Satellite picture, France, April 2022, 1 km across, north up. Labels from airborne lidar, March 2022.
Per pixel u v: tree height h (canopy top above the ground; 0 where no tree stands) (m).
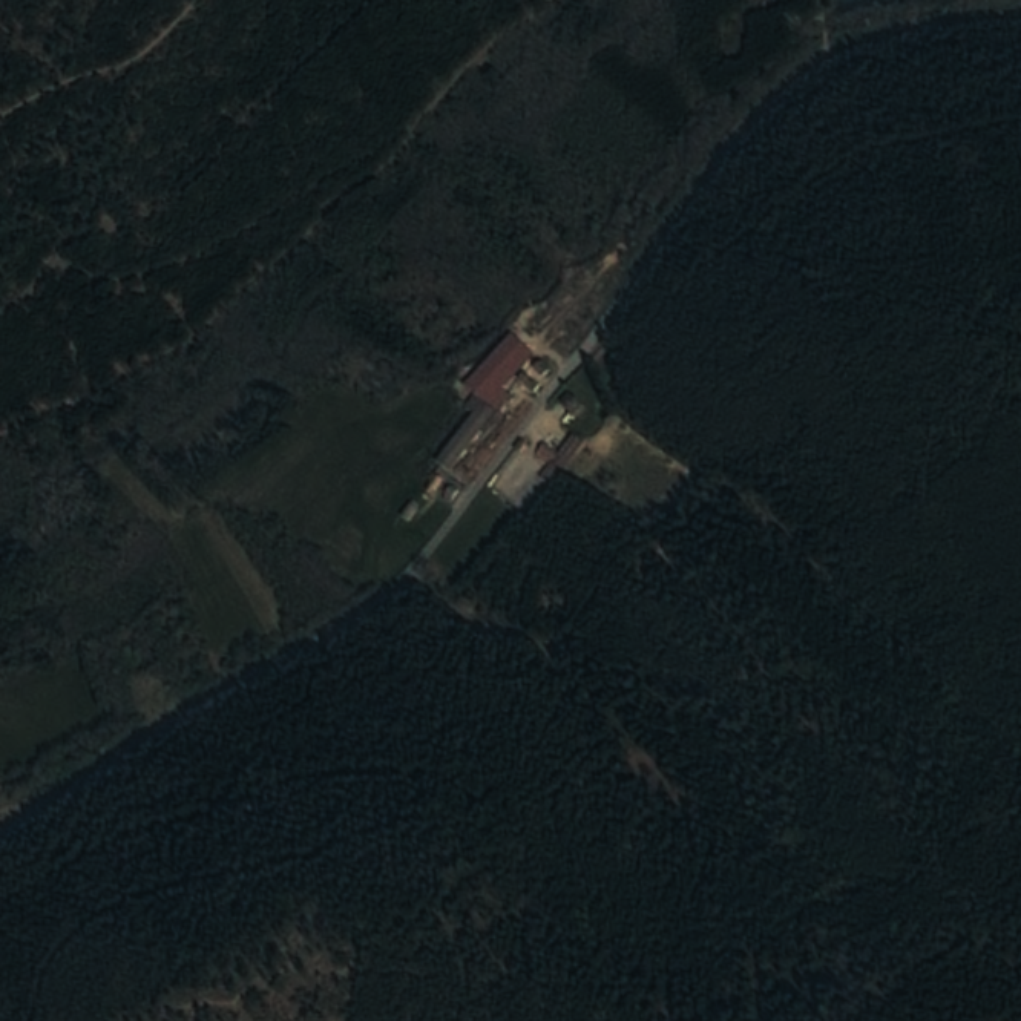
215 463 28
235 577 0
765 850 12
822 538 23
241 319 17
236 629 0
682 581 9
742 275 14
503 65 18
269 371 17
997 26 17
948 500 16
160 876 22
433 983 19
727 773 14
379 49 19
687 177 11
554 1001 16
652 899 16
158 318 17
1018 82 14
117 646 16
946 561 15
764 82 21
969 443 15
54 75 13
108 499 27
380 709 18
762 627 11
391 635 13
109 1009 16
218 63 12
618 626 10
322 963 0
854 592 20
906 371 17
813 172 18
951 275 23
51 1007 16
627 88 7
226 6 7
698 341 16
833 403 16
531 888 14
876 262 17
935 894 16
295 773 20
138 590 6
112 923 20
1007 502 15
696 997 20
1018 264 12
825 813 13
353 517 0
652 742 28
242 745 19
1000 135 18
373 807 23
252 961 23
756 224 15
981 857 22
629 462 0
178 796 24
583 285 0
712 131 21
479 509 0
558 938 21
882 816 12
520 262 20
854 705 12
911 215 16
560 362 0
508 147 13
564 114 16
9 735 0
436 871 26
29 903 20
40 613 9
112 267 16
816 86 14
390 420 0
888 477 16
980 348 20
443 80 23
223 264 18
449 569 0
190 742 19
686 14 21
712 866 18
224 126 18
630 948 13
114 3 8
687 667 9
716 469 21
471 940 16
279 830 28
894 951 20
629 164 12
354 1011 15
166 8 10
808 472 20
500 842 22
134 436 16
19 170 12
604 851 15
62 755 18
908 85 13
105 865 25
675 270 18
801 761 10
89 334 16
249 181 16
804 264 9
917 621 13
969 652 17
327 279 20
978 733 17
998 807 22
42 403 11
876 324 16
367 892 25
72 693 0
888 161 15
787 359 13
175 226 15
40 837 24
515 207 9
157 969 20
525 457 0
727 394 15
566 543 18
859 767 10
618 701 20
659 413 16
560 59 18
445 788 23
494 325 11
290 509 0
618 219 15
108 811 22
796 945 18
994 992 18
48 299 17
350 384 15
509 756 23
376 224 18
